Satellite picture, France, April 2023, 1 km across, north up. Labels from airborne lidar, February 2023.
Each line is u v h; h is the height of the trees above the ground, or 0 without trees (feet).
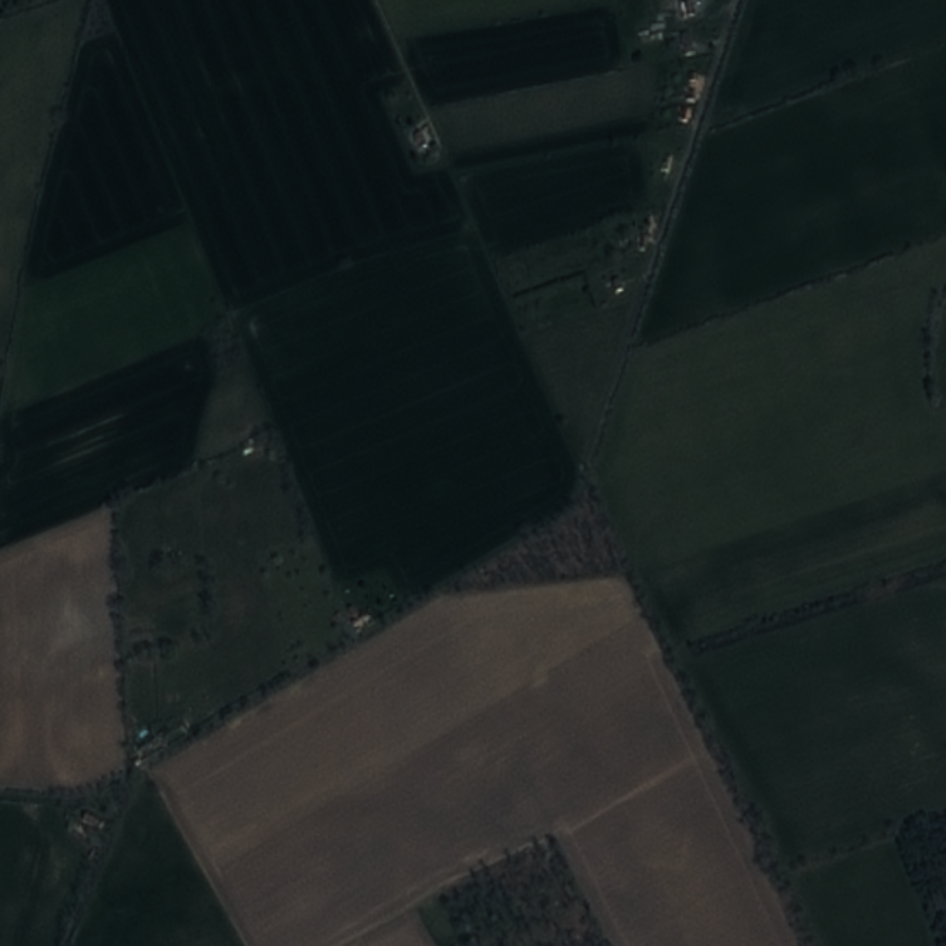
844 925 0
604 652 0
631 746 0
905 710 0
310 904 0
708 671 0
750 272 0
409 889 0
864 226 0
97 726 0
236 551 0
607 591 0
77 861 0
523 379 0
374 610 0
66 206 0
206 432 0
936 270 0
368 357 0
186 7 0
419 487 0
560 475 0
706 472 0
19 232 0
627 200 0
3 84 0
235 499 0
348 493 0
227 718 47
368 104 0
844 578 0
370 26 0
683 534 0
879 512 0
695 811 0
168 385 0
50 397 0
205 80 0
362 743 0
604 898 0
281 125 0
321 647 0
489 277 0
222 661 0
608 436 0
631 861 0
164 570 72
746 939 0
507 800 0
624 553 61
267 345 0
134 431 0
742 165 0
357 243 0
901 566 0
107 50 0
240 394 0
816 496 0
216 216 0
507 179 0
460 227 0
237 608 0
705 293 0
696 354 0
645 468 0
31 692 0
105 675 0
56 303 0
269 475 0
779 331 0
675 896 0
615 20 0
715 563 0
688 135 0
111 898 0
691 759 0
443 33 0
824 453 0
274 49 0
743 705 0
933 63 0
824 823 0
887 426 0
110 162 0
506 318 0
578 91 0
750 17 0
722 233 0
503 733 0
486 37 0
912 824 31
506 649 0
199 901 0
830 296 0
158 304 0
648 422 0
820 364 0
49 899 0
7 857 0
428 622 0
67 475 0
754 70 0
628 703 0
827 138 0
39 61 0
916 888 28
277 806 0
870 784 0
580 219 0
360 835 0
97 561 0
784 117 0
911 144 0
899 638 0
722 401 0
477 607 0
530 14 0
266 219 0
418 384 0
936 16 0
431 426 0
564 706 0
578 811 0
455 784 0
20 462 0
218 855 0
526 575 70
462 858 0
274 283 0
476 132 0
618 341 0
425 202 0
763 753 0
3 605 0
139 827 0
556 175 0
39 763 0
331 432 0
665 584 0
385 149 0
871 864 0
